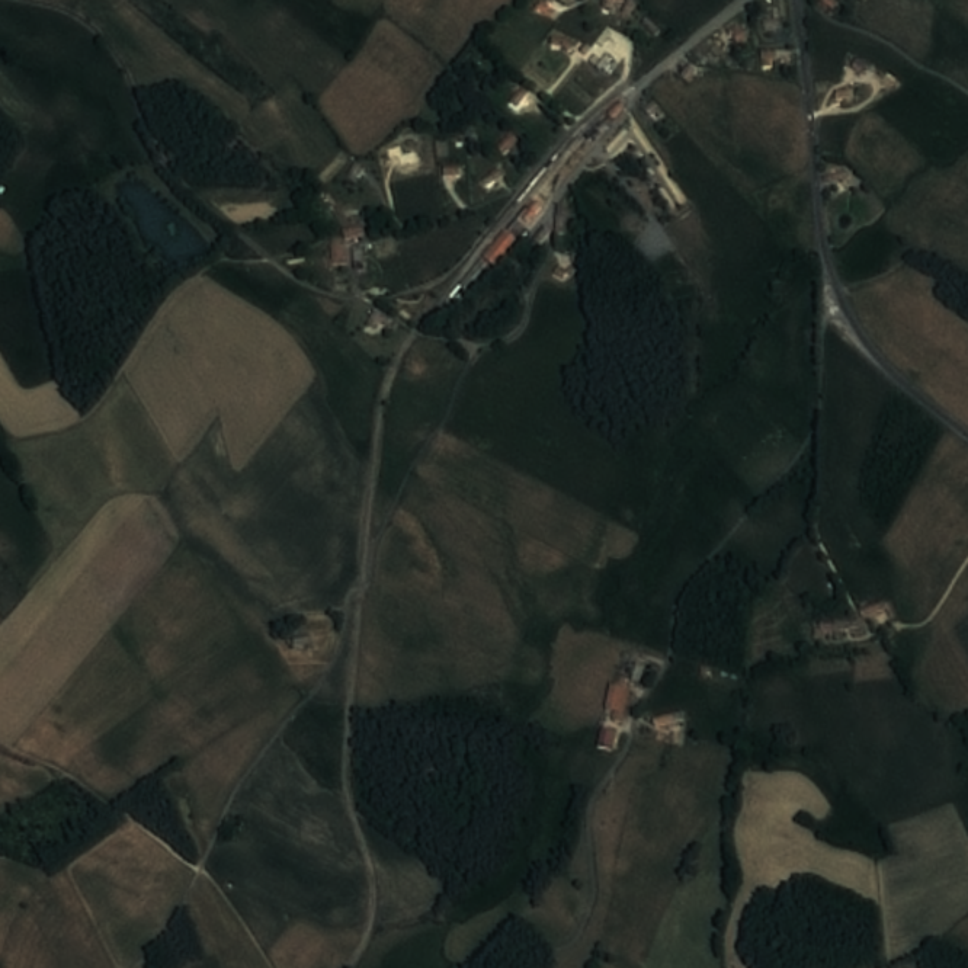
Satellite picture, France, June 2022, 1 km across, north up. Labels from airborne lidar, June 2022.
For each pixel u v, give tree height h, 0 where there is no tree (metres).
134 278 20
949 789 0
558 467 0
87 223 21
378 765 19
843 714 0
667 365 21
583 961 0
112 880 0
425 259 0
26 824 6
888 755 0
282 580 0
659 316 24
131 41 0
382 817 10
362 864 0
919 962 20
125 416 0
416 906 0
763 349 0
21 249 0
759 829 0
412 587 0
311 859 0
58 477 0
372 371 0
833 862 0
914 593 0
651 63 0
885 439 8
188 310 0
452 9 0
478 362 0
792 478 9
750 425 0
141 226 0
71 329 22
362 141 0
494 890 0
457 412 0
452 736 17
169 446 0
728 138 0
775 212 0
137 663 0
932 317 0
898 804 0
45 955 0
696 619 10
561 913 0
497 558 0
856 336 0
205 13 0
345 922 0
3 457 18
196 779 0
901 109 0
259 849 0
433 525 0
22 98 0
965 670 0
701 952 0
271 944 0
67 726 0
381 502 0
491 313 11
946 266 17
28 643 0
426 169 0
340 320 7
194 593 0
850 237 0
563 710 0
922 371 0
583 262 20
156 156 19
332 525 0
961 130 0
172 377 0
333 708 0
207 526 0
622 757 0
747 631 10
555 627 0
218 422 0
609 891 0
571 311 0
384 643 0
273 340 0
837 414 0
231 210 0
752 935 26
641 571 0
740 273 0
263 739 0
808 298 0
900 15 0
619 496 0
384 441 0
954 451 0
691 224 0
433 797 24
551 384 0
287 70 0
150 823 14
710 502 0
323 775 0
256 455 0
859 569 0
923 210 0
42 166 0
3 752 0
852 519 0
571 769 0
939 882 0
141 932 0
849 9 14
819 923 24
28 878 0
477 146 15
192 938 17
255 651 0
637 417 11
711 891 0
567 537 0
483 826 20
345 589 0
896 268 0
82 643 0
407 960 0
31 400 0
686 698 0
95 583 0
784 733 16
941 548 0
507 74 16
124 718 0
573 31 0
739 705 0
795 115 0
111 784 0
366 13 0
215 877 0
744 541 0
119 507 0
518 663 0
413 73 0
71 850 21
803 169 0
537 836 0
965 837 0
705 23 0
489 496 0
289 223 18
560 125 17
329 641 0
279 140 0
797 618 0
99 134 0
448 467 0
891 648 16
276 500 0
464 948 0
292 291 0
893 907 0
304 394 0
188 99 28
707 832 0
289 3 0
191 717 0
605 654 0
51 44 0
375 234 25
